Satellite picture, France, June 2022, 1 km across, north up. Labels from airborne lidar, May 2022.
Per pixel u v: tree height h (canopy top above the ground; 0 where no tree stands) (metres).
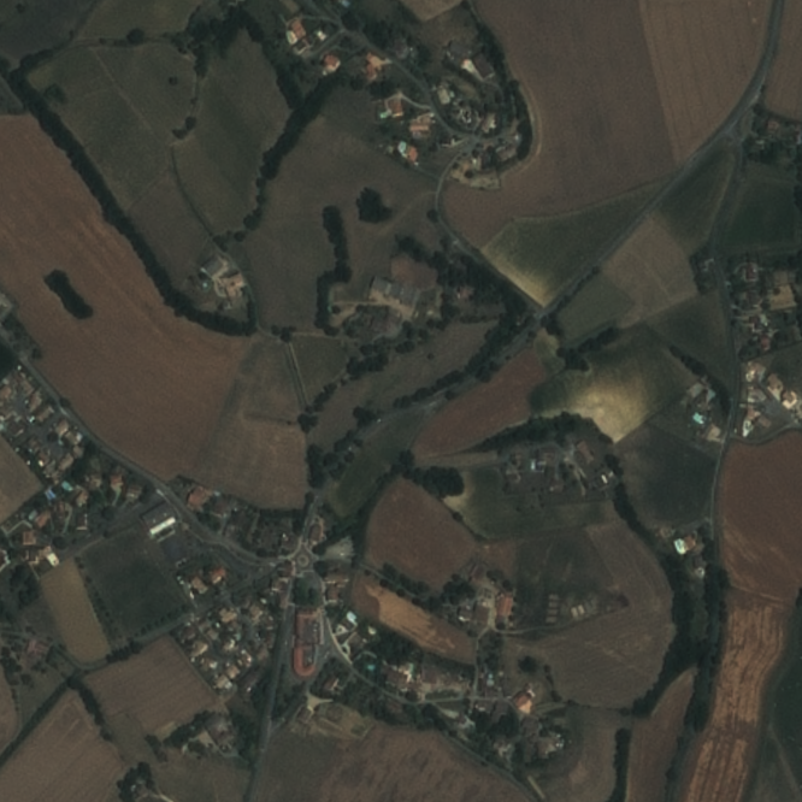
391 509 0
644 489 0
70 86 0
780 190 0
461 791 0
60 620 0
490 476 0
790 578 0
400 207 0
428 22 0
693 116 0
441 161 0
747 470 0
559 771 0
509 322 12
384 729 0
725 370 0
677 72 0
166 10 0
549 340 0
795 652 0
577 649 0
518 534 0
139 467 0
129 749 0
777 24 0
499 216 0
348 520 9
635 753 0
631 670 0
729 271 8
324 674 8
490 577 6
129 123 0
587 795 0
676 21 0
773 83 0
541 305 0
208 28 11
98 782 0
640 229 0
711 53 0
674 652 10
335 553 0
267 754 0
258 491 0
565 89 0
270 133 0
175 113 0
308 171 0
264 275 0
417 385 0
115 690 0
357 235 0
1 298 0
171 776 0
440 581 0
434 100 6
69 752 0
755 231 0
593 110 0
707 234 0
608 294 0
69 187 0
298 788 0
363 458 0
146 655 0
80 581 0
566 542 0
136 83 0
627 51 0
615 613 0
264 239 0
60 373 0
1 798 0
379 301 0
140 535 0
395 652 6
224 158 0
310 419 15
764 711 0
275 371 0
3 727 0
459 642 0
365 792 0
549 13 0
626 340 0
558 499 0
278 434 0
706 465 0
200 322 17
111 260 0
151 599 0
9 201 0
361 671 10
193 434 0
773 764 0
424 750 0
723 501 0
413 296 0
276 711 6
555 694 9
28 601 13
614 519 0
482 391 0
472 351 0
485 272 17
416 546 0
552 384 0
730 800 0
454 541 0
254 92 0
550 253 0
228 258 0
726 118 0
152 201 0
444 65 6
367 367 18
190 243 0
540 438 9
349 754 0
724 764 0
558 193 0
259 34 18
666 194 0
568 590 0
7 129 0
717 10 0
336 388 15
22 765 0
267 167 13
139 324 0
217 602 10
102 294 0
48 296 0
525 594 0
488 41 12
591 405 0
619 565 0
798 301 12
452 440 0
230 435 0
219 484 0
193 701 0
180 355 0
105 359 0
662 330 0
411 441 0
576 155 0
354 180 0
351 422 0
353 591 0
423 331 8
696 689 10
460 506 0
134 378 0
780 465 0
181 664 0
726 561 0
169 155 0
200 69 12
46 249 0
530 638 0
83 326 0
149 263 14
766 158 12
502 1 0
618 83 0
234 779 0
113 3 0
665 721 0
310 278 0
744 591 0
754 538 0
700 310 0
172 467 0
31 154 0
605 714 0
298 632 0
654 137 0
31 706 0
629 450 0
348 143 0
